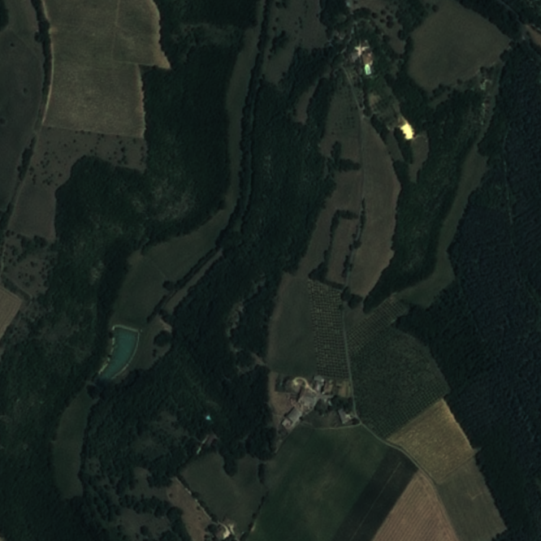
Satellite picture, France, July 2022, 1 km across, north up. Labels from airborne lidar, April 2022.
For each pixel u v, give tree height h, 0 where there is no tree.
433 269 11
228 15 10
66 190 11
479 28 0
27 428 9
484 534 0
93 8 0
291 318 0
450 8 0
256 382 8
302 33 0
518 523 16
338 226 6
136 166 0
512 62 13
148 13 0
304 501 0
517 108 16
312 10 0
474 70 0
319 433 0
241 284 16
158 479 12
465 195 0
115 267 19
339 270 0
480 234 17
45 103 0
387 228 0
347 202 0
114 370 0
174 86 9
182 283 7
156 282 0
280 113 11
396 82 9
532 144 18
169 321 16
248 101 9
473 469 0
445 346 17
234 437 11
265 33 10
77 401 0
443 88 13
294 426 0
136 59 0
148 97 9
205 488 0
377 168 0
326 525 0
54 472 16
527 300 12
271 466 0
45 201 0
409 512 0
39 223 0
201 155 13
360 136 0
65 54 0
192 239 0
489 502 0
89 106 0
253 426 21
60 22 0
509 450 15
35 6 7
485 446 8
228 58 14
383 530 0
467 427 12
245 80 0
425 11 8
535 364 15
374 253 0
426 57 0
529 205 17
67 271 12
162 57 0
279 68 0
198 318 18
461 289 10
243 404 19
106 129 0
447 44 0
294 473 0
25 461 10
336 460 0
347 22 7
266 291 12
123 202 10
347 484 0
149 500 7
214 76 14
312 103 8
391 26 10
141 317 0
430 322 13
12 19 0
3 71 0
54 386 11
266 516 0
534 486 14
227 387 24
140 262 0
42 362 12
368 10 16
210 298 11
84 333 8
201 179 11
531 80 14
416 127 8
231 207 0
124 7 0
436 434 0
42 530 10
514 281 13
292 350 0
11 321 0
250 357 12
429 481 0
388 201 0
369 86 8
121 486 14
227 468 13
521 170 15
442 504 0
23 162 8
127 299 0
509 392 19
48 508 16
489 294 17
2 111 0
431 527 0
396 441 0
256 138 10
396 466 0
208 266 0
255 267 11
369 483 0
